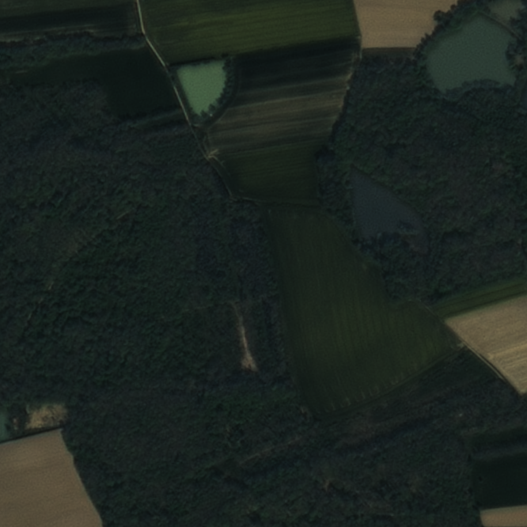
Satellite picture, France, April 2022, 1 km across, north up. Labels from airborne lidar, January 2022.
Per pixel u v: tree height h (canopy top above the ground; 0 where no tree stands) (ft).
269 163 0
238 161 0
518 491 0
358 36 0
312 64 0
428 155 94
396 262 73
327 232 0
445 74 0
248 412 59
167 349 81
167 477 73
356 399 0
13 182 93
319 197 0
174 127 50
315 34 0
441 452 90
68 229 77
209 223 93
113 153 112
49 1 0
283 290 0
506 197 105
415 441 81
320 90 0
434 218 79
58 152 94
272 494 108
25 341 87
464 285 78
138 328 94
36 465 0
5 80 0
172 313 91
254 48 0
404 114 104
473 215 119
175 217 74
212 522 98
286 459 104
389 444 76
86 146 113
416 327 0
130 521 99
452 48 0
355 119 104
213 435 86
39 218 96
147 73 0
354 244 52
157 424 74
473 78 0
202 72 0
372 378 0
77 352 86
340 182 131
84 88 47
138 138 68
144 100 0
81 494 0
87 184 96
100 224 79
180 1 0
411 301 0
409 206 0
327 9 0
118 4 0
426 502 80
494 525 0
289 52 0
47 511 0
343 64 0
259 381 109
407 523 103
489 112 51
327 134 0
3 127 74
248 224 92
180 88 23
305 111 0
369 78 97
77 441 65
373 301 0
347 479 94
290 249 0
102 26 0
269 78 0
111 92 0
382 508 105
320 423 36
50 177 71
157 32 0
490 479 0
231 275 83
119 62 0
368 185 0
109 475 94
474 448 0
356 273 0
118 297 100
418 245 0
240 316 0
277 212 0
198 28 0
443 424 91
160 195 85
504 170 99
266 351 93
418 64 47
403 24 0
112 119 55
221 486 86
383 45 0
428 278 92
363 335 0
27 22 0
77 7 0
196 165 73
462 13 68
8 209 100
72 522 0
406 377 0
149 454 89
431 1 0
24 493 0
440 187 96
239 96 0
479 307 0
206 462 102
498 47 0
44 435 0
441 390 0
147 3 0
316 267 0
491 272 92
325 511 101
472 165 90
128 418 80
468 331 0
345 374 0
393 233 0
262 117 0
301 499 116
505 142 68
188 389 91
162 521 86
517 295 0
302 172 0
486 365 0
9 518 0
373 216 0
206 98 0
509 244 82
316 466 103
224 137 0
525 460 0
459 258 107
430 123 82
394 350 0
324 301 0
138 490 86
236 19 0
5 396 83
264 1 0
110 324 60
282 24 0
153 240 69
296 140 0
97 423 96
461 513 80
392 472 88
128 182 96
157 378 102
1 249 78
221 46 0
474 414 96
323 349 0
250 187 0
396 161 113
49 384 114
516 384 0
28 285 93
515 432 0
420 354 0
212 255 96
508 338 0
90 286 56
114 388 100
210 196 72
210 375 97
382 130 90
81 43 87
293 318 0
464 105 51
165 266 69
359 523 103
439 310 0
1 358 78
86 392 108
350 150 99
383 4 0
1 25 0
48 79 0
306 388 0
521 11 0
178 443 85
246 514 91
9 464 0
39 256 73
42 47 61
